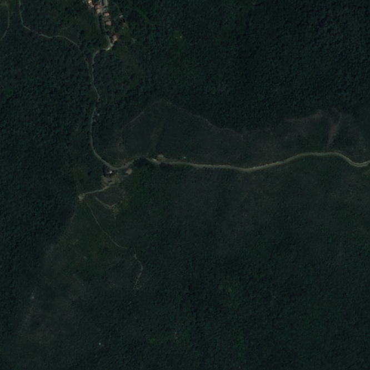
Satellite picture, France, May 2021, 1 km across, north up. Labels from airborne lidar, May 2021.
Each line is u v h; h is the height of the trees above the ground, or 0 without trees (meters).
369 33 16
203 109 10
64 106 9
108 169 13
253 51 18
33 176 6
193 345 10
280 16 19
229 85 15
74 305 8
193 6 12
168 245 12
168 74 11
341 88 11
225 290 9
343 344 12
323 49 25
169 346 5
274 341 18
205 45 18
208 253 7
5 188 18
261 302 20
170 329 8
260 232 6
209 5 11
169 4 12
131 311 13
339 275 6
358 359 9
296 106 14
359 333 13
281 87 18
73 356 8
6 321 6
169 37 17
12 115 14
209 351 14
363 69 19
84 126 11
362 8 25
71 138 12
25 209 7
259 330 22
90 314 8
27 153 8
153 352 8
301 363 8
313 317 10
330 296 12
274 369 14
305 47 27
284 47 20
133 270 5
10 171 6
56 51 7
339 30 19
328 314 12
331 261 8
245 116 14
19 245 17
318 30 30
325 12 20
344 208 7
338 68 15
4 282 9
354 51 18
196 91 14
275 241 7
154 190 9
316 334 10
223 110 17
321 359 13
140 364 10
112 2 7
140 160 12
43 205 7
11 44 8
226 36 21
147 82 14
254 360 18
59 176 5
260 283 13
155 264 7
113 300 8
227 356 7
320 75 17
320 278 7
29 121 7
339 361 10
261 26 16
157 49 14
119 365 11
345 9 19
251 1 23
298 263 8
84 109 13
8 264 11
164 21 7
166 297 7
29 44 12
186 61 13
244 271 12
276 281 7
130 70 9
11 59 8
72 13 9
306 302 11
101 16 8
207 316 10
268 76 12
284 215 10
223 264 9
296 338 12
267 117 6
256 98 18
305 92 13
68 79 9
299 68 20
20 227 10
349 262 7
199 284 16
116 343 5
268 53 14
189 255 16
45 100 10
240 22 31
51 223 9
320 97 9
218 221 7
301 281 8
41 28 7
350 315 15
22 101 9
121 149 0
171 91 13
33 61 7
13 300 11
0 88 7
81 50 16
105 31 9
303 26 22
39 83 11
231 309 7
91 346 8
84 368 15
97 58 12
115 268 9
